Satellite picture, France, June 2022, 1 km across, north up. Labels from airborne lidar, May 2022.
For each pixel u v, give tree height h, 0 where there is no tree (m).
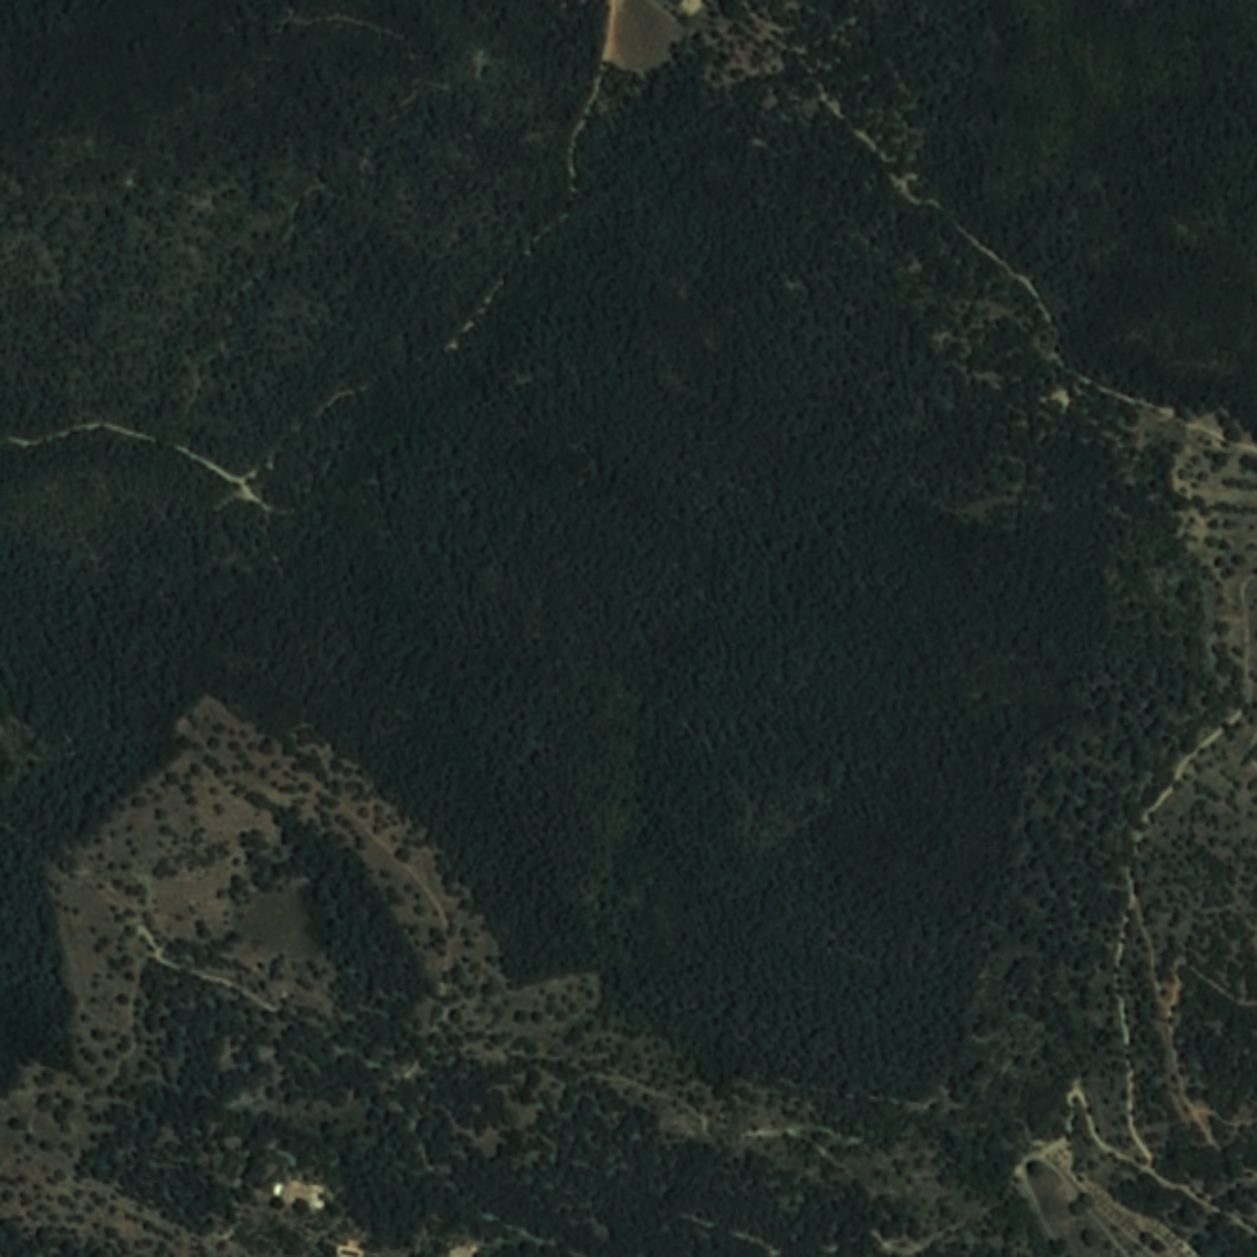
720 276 10
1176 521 7
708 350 8
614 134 9
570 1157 11
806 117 7
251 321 7
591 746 9
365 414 15
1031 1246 7
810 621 12
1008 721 14
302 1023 10
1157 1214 8
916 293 7
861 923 16
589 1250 16
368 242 9
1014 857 14
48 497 7
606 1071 7
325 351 7
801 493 12
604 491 9
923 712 6
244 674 8
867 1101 9
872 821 13
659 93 15
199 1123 13
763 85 11
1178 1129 6
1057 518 13
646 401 12
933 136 7
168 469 8
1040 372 8
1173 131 9
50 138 8
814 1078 10
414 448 16
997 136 6
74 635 17
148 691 14
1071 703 6
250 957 0
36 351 9
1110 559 8
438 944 10
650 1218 14
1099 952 21
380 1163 13
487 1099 15
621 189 9
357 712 11
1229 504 6
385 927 13
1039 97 6
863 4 11
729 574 14
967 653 6
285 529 10
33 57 12
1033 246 12
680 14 6
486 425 12
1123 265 6
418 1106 9
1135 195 9
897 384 11
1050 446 9
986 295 10
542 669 13
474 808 12
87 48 6
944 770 16
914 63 9
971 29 10
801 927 13
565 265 12
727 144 10
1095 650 12
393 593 17
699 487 13
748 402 13
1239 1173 17
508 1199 14
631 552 12
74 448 10
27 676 15
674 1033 12
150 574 9
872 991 11
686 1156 13
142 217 10
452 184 11
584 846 10
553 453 14
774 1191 9
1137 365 7
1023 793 15
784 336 13
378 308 9
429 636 10
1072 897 16
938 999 15
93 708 15
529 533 12
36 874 12
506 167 12
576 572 13
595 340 13
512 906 7
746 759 6
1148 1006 6
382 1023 14
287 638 10
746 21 7
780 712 9
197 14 6
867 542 11
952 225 8
